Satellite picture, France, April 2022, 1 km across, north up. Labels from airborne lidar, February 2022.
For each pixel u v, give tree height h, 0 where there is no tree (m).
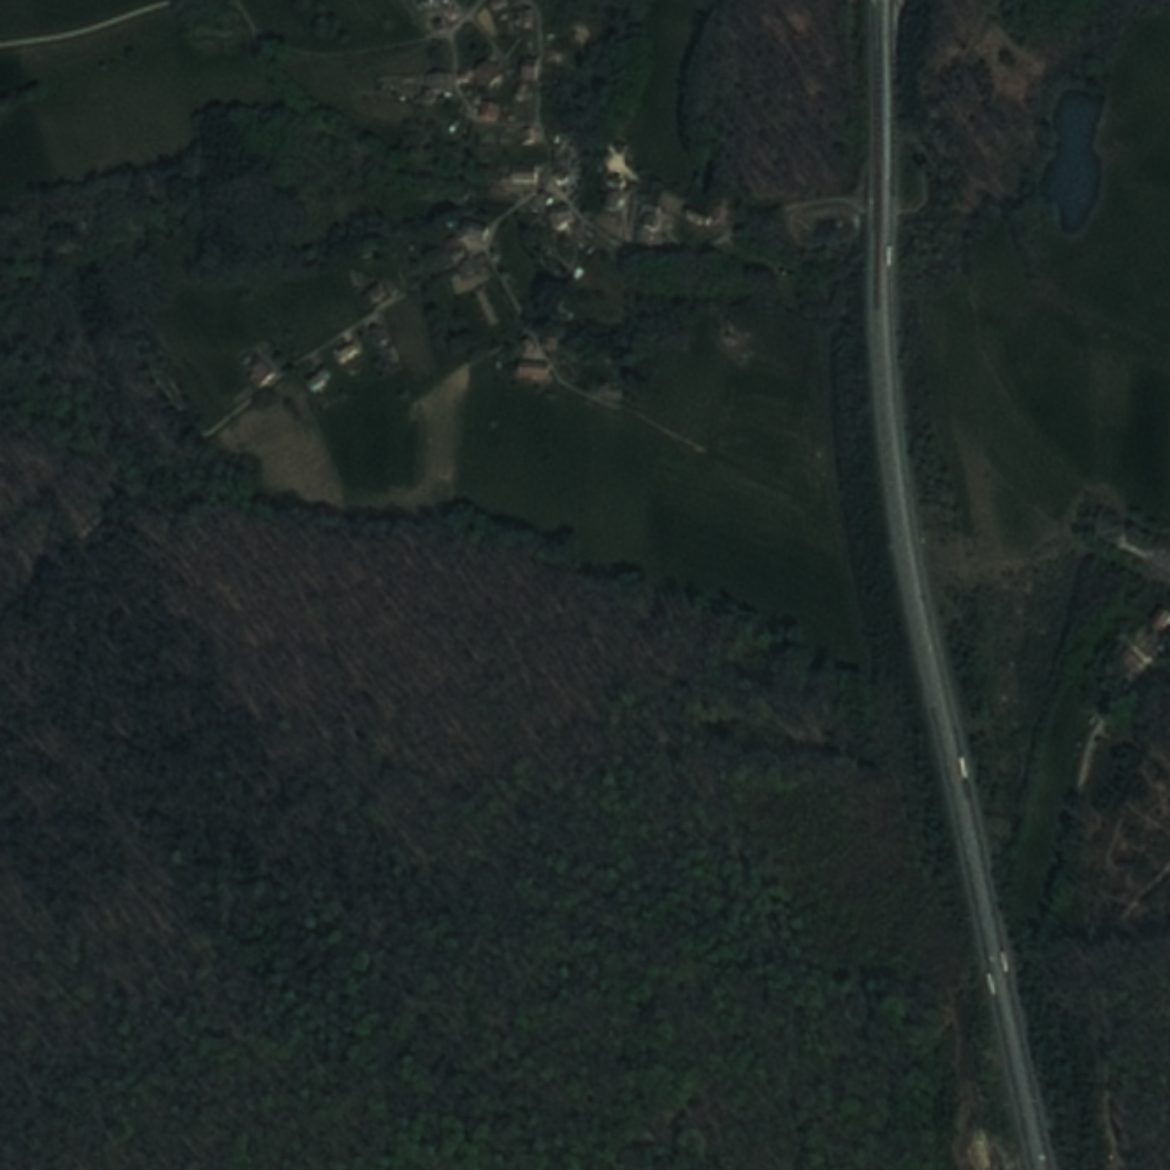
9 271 21
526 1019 0
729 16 30
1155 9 14
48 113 0
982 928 0
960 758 0
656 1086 26
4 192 0
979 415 0
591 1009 28
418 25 0
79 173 0
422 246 0
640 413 0
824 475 0
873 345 0
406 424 0
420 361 0
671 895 8
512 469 0
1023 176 29
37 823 13
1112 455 0
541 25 0
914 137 0
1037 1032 0
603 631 31
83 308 19
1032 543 0
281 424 0
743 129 31
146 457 18
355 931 34
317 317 0
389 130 0
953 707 0
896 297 0
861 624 0
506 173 0
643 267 25
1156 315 0
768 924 29
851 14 19
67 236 24
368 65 0
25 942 0
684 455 0
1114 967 0
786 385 0
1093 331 0
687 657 32
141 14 0
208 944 32
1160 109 0
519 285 0
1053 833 0
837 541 0
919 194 0
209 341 0
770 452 0
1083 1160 0
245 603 29
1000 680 0
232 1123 29
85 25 0
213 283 24
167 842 33
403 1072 10
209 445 18
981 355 0
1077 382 0
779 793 25
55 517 30
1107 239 0
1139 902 0
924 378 0
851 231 0
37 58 0
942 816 0
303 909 35
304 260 18
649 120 0
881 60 0
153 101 0
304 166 28
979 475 0
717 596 0
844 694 31
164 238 22
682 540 0
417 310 0
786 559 0
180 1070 34
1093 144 0
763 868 28
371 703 13
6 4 0
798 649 18
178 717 31
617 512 0
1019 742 0
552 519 0
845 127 28
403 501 0
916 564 0
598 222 0
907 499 0
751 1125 0
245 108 11
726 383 0
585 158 15
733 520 0
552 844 31
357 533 26
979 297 0
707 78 29
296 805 6
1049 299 0
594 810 32
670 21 0
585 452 0
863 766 22
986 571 0
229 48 0
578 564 29
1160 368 0
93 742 29
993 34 0
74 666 31
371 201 0
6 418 31
